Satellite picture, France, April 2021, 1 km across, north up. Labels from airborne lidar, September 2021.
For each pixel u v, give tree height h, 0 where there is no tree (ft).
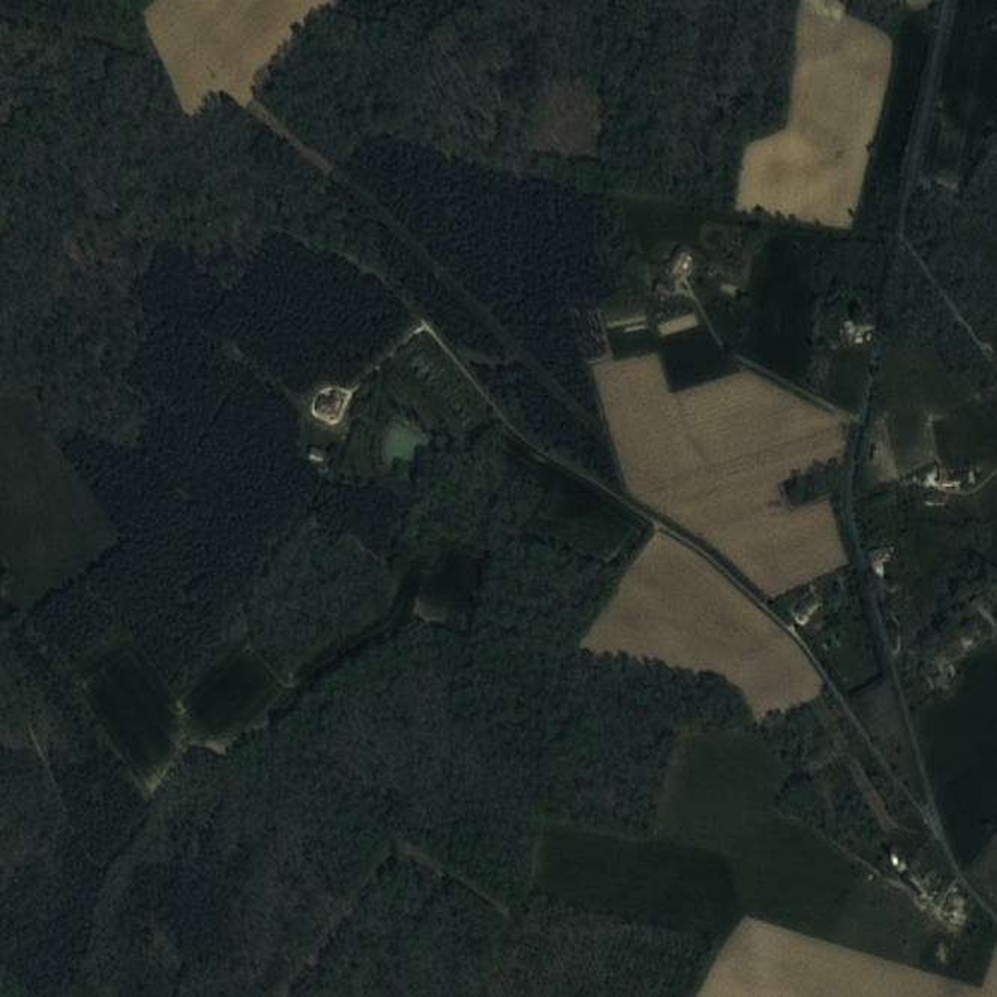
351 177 60
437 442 58
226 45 0
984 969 0
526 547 49
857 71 0
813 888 0
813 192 0
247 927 52
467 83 41
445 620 0
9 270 68
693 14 38
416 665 53
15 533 0
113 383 67
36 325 57
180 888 51
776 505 0
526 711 70
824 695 29
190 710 0
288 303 64
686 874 0
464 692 55
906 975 0
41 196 62
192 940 47
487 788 60
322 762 47
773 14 63
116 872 72
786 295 0
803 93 0
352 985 60
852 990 0
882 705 0
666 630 0
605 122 52
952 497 0
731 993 0
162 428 55
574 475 0
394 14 54
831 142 0
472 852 77
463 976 73
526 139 51
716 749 0
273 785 59
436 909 59
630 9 95
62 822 44
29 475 0
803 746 41
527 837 67
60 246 57
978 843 0
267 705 0
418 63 80
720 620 0
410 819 67
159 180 75
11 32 65
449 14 43
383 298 57
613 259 61
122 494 45
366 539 55
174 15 0
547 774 62
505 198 52
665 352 0
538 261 50
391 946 48
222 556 50
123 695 0
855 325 32
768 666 0
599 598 61
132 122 49
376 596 58
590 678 50
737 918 0
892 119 0
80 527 0
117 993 44
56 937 48
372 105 72
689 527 0
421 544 60
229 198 56
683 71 60
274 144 75
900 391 0
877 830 31
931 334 61
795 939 0
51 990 48
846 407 0
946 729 0
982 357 54
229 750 0
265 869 52
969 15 0
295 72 54
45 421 46
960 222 47
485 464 77
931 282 65
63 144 64
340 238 62
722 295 0
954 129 0
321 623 73
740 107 40
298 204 64
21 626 51
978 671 0
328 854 65
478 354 41
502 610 64
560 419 49
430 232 60
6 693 42
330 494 54
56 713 25
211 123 42
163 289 56
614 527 0
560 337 46
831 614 24
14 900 44
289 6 0
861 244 45
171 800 72
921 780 0
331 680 60
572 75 68
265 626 67
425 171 58
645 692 70
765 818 0
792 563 0
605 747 59
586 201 47
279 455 46
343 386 42
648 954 19
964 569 43
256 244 56
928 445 0
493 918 57
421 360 29
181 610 54
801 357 0
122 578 52
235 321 62
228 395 48
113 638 26
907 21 0
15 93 26
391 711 46
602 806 52
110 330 50
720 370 0
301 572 62
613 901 0
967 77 0
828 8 0
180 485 50
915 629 0
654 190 74
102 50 55
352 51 80
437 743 64
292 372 57
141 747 0
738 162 57
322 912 58
